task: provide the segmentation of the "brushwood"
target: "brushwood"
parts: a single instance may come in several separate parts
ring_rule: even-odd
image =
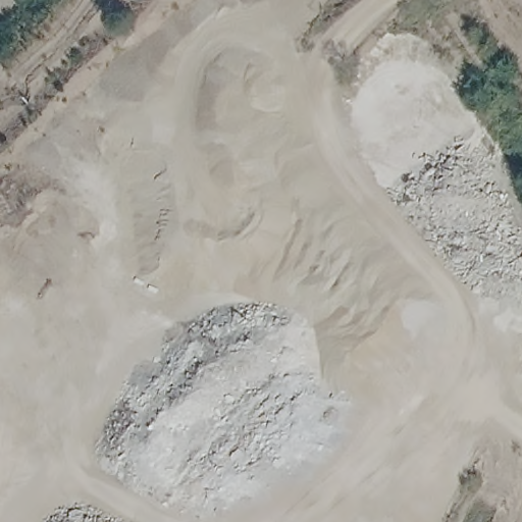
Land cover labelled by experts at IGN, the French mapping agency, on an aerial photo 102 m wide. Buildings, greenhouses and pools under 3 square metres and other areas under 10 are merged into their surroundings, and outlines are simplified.
[[[53,20],[51,12],[45,10],[41,14],[35,14],[31,37],[27,33],[14,31],[12,43],[2,47],[0,51],[0,65],[2,69],[10,69],[12,59],[18,53],[22,53],[33,41],[43,39],[45,31],[49,31],[49,22]]]
[[[392,20],[392,33],[412,33],[424,39],[428,35],[428,29],[445,27],[449,12],[455,12],[461,18],[465,31],[471,31],[477,20],[481,16],[479,0],[400,0],[396,6],[398,14]]]
[[[522,171],[522,159],[516,155],[504,157],[510,177],[518,177]]]

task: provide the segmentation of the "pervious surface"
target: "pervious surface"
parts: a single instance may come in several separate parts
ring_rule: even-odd
[[[493,522],[522,522],[522,171],[518,177],[510,177],[504,157],[500,143],[485,131],[485,126],[481,126],[475,112],[465,108],[465,104],[461,102],[455,84],[440,69],[438,55],[424,39],[412,33],[392,33],[381,37],[373,49],[361,51],[355,82],[338,86],[334,69],[328,65],[328,59],[332,57],[341,61],[343,53],[355,47],[359,39],[373,29],[373,24],[389,8],[396,6],[400,0],[336,0],[334,6],[341,8],[345,14],[336,18],[324,33],[312,37],[312,51],[298,51],[302,33],[308,29],[308,22],[320,12],[320,6],[328,0],[151,0],[145,12],[137,16],[135,29],[126,37],[116,37],[108,41],[108,45],[96,57],[82,63],[77,73],[63,86],[61,92],[55,94],[55,98],[47,104],[43,114],[37,116],[27,126],[27,131],[20,133],[16,141],[6,143],[4,151],[0,153],[0,522],[442,522],[445,514],[453,506],[455,495],[459,493],[459,475],[465,469],[477,469],[477,473],[481,475],[481,485],[477,493],[487,506],[495,508]]]

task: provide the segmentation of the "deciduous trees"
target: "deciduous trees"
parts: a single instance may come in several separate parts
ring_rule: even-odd
[[[12,43],[14,31],[27,33],[31,37],[35,14],[41,14],[45,10],[51,12],[53,4],[57,4],[59,0],[0,0],[0,51],[2,47]]]
[[[479,67],[473,63],[463,63],[461,75],[455,84],[461,102],[465,104],[465,108],[475,112],[481,126],[485,126],[485,131],[500,143],[504,157],[516,155],[522,159],[522,69],[518,67],[516,55],[506,47],[500,47],[498,39],[489,33],[489,27],[477,20],[471,31],[465,31],[465,37],[473,45],[477,45],[477,53],[483,59],[483,63]]]
[[[332,57],[328,59],[328,65],[334,69],[338,86],[355,82],[361,51],[355,47],[343,53],[341,61]]]
[[[106,35],[108,41],[116,37],[126,37],[135,29],[137,16],[133,12],[114,12],[104,16],[102,35]]]

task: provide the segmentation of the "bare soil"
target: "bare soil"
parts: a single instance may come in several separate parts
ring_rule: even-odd
[[[108,45],[108,41],[106,35],[102,35],[104,16],[114,12],[133,12],[137,16],[145,12],[151,0],[59,0],[57,4],[53,4],[51,12],[53,20],[49,22],[49,31],[45,31],[43,39],[33,41],[22,53],[18,53],[12,59],[10,69],[2,69],[0,65],[0,153],[4,151],[6,143],[16,141],[20,133],[27,131],[27,126],[37,116],[43,114],[47,104],[55,98],[55,94],[61,92],[63,86],[77,73],[82,63],[96,57]]]

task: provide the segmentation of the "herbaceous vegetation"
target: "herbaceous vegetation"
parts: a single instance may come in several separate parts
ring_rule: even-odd
[[[396,6],[389,8],[373,24],[373,29],[359,39],[355,47],[361,51],[373,49],[381,37],[392,33],[392,20],[398,14]]]
[[[518,67],[522,69],[522,0],[479,0],[481,16],[477,20],[489,27],[489,33],[498,39],[500,47],[506,47],[516,55]]]
[[[440,69],[455,84],[461,75],[463,63],[473,63],[479,67],[483,63],[483,59],[477,53],[477,45],[473,45],[465,37],[465,31],[461,18],[455,12],[449,12],[445,27],[428,29],[428,35],[424,39],[438,55]]]
[[[312,51],[312,37],[324,33],[336,18],[345,14],[341,8],[334,6],[336,0],[328,0],[320,6],[320,12],[308,22],[308,29],[302,33],[298,51]]]
[[[453,506],[445,514],[442,522],[493,522],[495,508],[487,506],[477,493],[481,485],[481,475],[477,473],[477,469],[465,469],[459,475],[459,493],[455,495]]]

